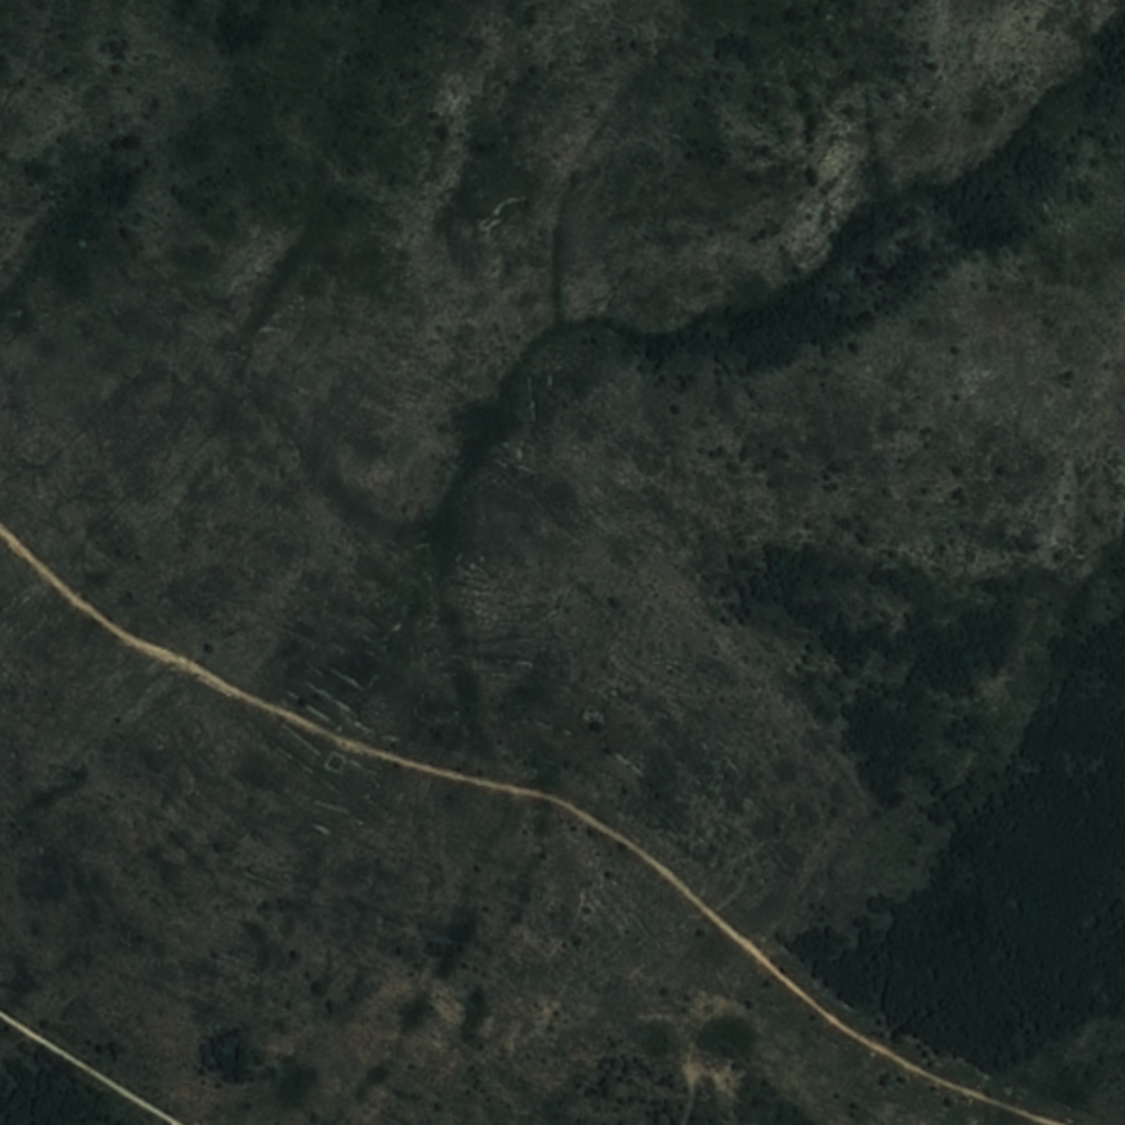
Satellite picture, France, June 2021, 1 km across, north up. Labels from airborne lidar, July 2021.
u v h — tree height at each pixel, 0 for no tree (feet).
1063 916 40
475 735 0
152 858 0
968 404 0
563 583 0
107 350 0
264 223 0
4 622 0
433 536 0
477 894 0
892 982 45
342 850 0
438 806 0
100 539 0
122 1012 0
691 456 0
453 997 0
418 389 0
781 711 0
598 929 0
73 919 0
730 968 0
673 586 0
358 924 0
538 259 0
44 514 0
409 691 0
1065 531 0
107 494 0
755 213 0
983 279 0
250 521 0
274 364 0
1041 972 34
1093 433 0
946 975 51
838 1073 0
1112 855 36
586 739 0
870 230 41
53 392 0
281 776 0
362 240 0
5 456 0
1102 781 34
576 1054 0
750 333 45
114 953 0
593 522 0
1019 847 46
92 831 0
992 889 30
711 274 0
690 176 0
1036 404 0
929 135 0
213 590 0
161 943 0
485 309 0
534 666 0
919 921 31
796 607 25
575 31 0
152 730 0
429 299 0
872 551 0
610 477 0
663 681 0
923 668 24
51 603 0
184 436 0
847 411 0
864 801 0
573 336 0
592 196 0
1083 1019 35
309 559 0
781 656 0
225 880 0
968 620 24
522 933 0
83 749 0
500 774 0
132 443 0
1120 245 0
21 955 0
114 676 0
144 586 0
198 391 0
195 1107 0
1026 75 0
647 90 0
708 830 0
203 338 0
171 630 0
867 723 34
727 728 0
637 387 0
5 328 0
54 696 0
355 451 0
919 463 0
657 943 0
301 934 0
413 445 0
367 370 0
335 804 0
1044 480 0
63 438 0
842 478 0
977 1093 0
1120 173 0
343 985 0
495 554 0
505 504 0
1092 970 39
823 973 40
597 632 0
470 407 0
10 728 0
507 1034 0
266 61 0
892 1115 0
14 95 0
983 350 0
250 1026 0
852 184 0
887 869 0
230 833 0
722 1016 0
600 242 0
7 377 0
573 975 0
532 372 0
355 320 0
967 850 23
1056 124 0
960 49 0
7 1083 24
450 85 0
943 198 27
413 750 0
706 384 0
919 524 0
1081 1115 0
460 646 0
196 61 0
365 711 0
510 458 0
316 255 0
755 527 0
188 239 0
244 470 0
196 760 0
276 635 0
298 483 0
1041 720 24
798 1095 0
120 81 0
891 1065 0
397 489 0
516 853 0
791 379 0
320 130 0
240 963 0
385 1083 0
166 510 0
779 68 0
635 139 0
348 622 0
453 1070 0
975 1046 45
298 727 0
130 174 21
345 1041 0
